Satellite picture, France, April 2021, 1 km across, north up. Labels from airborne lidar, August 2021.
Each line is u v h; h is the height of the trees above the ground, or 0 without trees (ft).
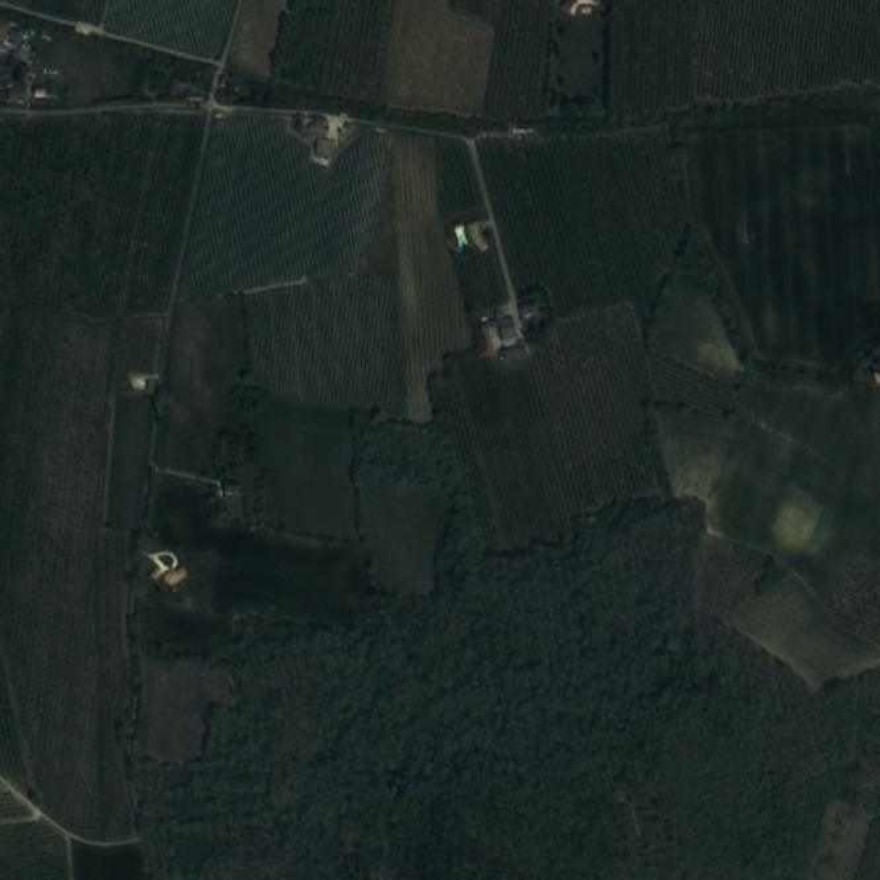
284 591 0
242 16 0
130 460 0
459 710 43
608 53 40
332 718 47
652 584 40
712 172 0
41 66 0
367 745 44
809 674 0
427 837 29
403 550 0
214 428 0
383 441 28
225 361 0
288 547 0
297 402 0
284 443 0
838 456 0
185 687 0
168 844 42
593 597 80
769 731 62
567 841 34
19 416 0
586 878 33
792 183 0
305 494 0
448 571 31
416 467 35
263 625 35
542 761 52
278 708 45
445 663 34
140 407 0
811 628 0
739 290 0
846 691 70
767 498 0
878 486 0
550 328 56
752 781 49
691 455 0
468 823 27
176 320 0
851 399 0
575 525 20
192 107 37
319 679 65
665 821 27
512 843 37
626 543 50
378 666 43
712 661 73
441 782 59
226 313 0
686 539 33
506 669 43
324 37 55
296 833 43
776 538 0
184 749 0
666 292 35
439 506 0
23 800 0
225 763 46
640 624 51
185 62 22
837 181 0
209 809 23
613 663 49
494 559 59
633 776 35
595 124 22
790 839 35
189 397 0
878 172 0
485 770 66
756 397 0
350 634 41
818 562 0
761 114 0
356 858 25
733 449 0
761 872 64
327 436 0
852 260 0
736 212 0
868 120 0
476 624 53
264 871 40
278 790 42
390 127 0
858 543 0
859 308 0
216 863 41
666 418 0
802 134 0
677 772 41
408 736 66
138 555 55
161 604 0
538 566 58
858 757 30
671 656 35
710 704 49
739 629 0
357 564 0
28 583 0
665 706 35
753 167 0
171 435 0
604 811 31
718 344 0
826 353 0
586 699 62
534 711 67
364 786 51
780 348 0
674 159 48
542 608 55
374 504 0
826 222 0
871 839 27
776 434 0
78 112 0
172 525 0
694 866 36
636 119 34
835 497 0
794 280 0
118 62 0
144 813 51
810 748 70
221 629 0
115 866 0
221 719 54
